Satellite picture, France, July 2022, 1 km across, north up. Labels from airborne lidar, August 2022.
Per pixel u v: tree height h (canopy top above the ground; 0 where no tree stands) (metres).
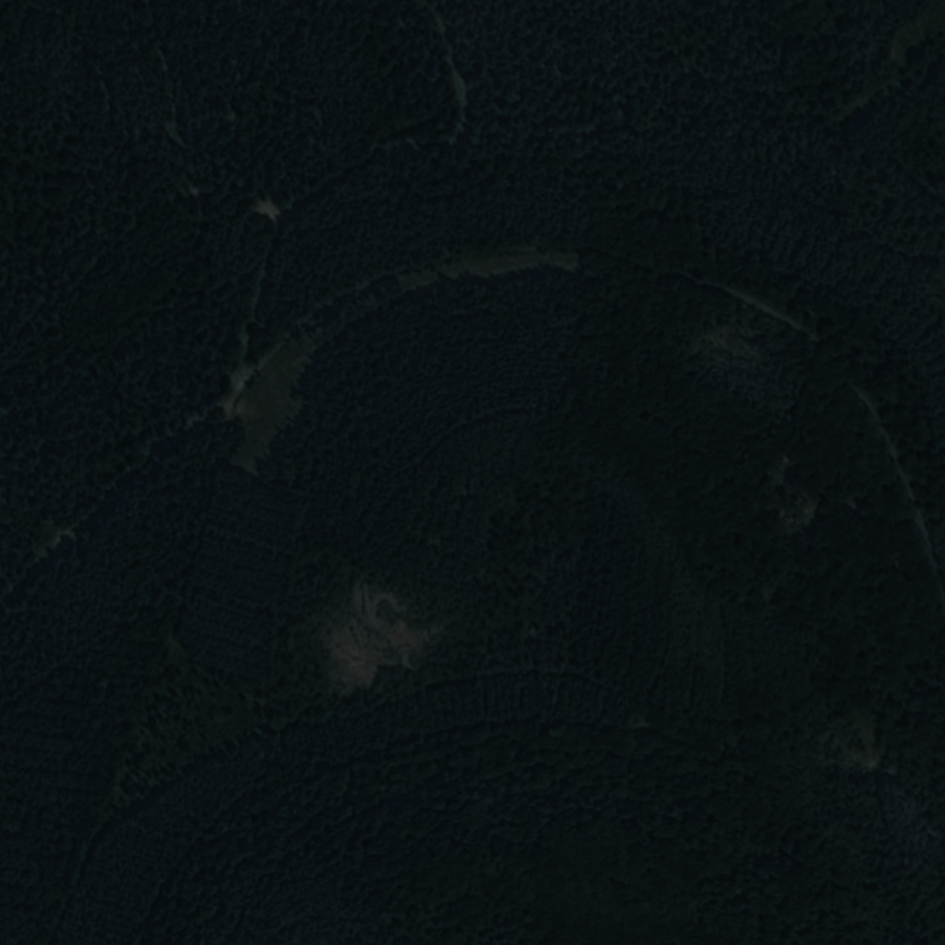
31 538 14
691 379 20
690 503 19
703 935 16
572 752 23
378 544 12
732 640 16
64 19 16
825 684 9
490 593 17
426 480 15
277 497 19
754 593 15
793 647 20
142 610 19
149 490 24
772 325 18
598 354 18
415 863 16
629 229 24
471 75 26
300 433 16
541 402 17
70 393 18
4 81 21
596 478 14
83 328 12
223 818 14
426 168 17
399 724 20
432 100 23
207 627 24
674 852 18
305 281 21
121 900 20
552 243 19
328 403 17
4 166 25
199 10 20
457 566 18
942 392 21
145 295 12
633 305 26
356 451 17
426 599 12
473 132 26
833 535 22
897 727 17
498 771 13
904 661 10
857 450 21
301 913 15
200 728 8
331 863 12
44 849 21
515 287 20
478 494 19
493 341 17
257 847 20
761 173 31
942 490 20
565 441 17
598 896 15
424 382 15
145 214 14
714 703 22
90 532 24
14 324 21
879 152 28
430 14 14
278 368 0
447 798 17
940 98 23
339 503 11
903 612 20
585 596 18
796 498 21
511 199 18
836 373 24
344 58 18
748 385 11
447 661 15
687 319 22
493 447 13
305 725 13
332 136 25
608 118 29
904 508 19
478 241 21
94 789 20
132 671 17
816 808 12
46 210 7
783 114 30
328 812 19
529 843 11
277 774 13
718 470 17
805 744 10
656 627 16
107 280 10
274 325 23
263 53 30
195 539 23
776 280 20
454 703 19
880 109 23
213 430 24
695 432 18
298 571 13
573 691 15
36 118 23
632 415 20
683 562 8
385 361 20
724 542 23
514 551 10
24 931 22
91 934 20
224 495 22
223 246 23
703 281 11
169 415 24
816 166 29
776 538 21
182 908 20
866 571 18
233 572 23
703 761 22
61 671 22
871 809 12
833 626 20
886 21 27
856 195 17
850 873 14
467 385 17
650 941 17
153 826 16
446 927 6
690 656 11
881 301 19
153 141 21
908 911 20
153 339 16
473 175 18
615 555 16
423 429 17
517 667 14
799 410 22
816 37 7
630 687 18
